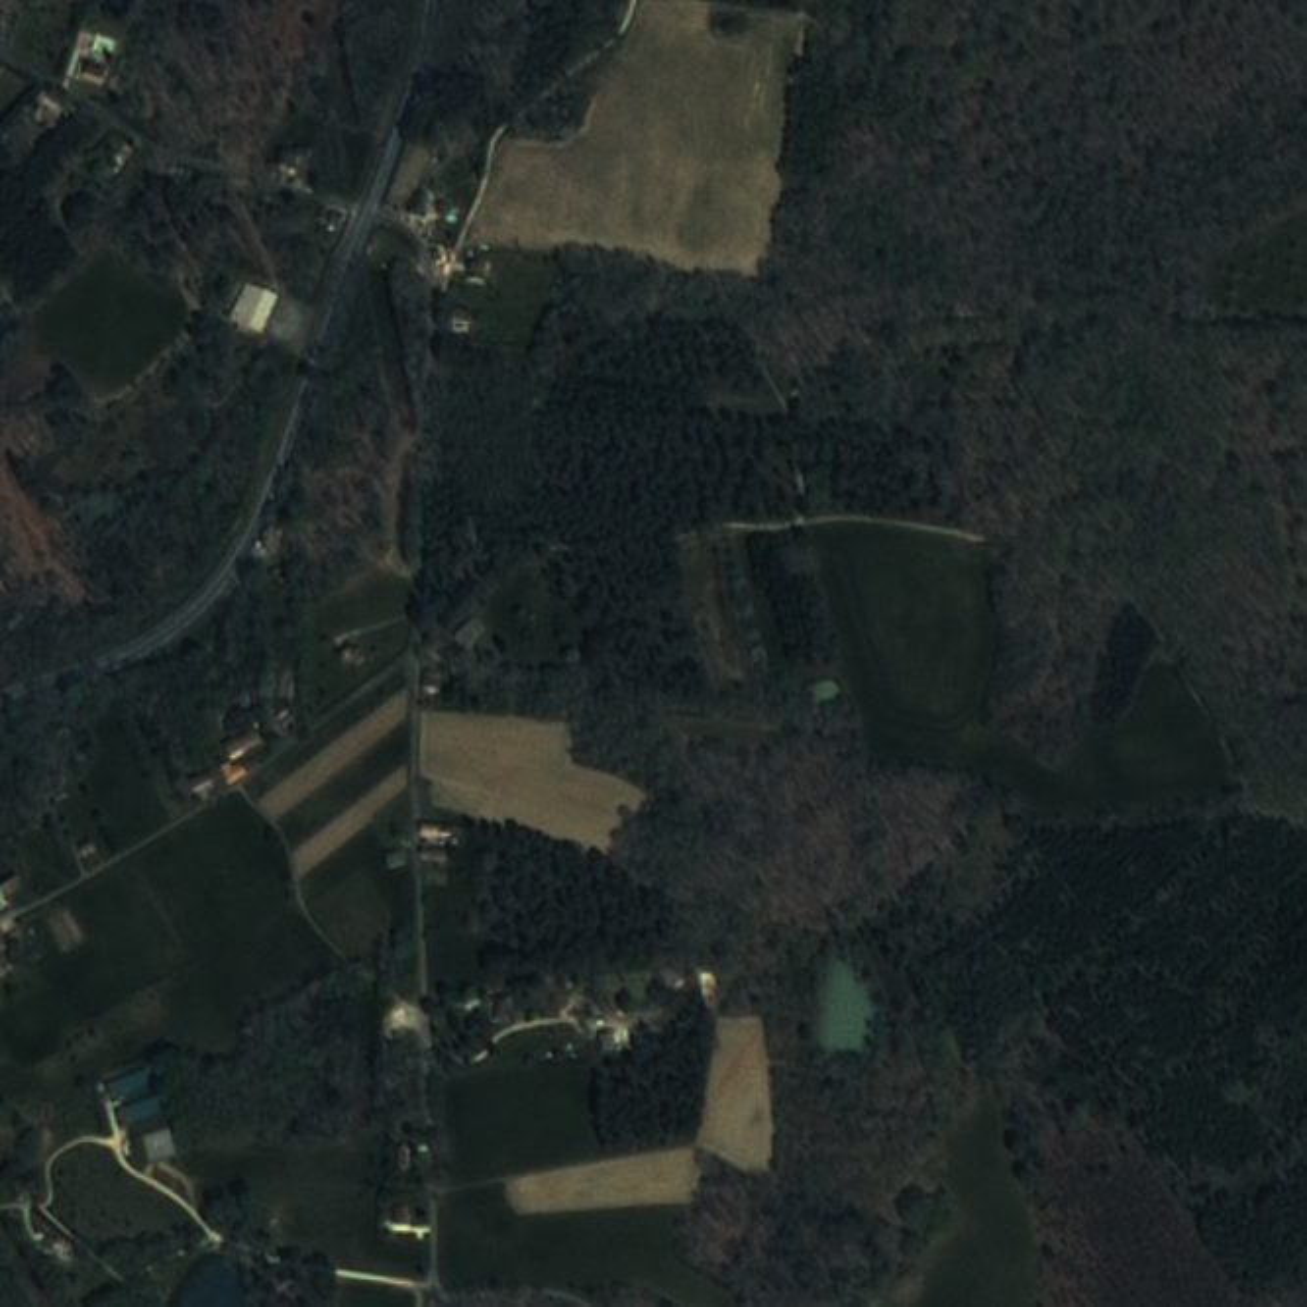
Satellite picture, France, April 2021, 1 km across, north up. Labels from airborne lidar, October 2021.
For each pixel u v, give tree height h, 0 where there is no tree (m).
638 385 17
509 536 15
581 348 23
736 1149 0
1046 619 23
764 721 15
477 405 15
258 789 0
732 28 7
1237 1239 18
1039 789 0
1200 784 0
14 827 14
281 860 0
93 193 12
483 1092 0
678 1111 23
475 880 0
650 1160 0
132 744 16
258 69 8
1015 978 9
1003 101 11
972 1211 0
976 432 16
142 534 21
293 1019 19
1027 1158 12
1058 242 14
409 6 14
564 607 14
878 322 11
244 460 18
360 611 0
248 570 11
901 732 0
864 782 16
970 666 0
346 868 0
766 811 18
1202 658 21
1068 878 13
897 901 12
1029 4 21
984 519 19
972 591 0
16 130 14
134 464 8
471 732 0
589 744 14
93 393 0
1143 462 22
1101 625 15
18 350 9
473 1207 0
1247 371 11
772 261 13
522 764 0
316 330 0
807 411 6
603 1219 0
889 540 0
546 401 12
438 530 19
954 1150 0
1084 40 11
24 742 24
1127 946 13
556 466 19
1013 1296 0
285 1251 0
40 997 0
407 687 0
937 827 15
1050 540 21
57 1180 7
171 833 0
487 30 18
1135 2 19
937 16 13
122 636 20
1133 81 7
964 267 15
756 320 14
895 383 16
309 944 0
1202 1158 10
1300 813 20
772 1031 14
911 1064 18
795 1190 15
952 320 17
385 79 24
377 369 19
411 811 0
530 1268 0
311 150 12
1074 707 9
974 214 14
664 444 15
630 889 19
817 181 14
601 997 18
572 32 20
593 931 19
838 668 7
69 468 0
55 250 16
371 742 0
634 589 20
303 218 15
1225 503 18
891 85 15
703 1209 13
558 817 0
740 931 20
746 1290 20
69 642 22
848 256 19
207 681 19
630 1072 19
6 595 11
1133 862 12
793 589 15
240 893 0
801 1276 22
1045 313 21
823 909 18
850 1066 15
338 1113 24
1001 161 8
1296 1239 19
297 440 9
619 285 19
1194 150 14
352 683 0
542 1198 0
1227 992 8
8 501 0
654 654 8
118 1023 0
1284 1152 12
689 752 8
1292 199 13
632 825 13
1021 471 17
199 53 14
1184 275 15
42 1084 0
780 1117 12
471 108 26
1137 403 25
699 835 15
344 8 16
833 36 14
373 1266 0
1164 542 22
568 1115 0
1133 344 26
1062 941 13
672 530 17
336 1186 0
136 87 10
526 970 19
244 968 0
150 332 0
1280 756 19
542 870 20
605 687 16
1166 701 0
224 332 14
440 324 18
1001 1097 13
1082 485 22
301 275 16
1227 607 23
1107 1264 7
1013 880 13
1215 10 9
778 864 17
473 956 0
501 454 18
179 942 0
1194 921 9
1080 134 9
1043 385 22
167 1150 0
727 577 11
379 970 16
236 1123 21
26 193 13
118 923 0
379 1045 6
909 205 17
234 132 12
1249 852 9
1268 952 9
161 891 0
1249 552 22
